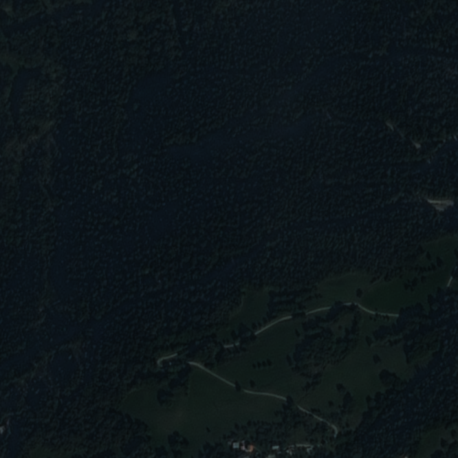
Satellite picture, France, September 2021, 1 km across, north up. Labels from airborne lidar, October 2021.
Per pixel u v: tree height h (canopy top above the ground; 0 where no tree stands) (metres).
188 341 11
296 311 16
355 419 0
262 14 25
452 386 25
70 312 23
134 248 33
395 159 19
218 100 17
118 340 33
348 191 19
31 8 22
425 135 20
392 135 13
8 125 27
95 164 19
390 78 12
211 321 22
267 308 0
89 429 27
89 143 26
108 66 29
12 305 24
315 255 22
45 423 21
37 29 29
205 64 30
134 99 11
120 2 20
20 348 27
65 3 20
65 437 20
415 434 26
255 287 17
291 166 23
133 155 13
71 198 26
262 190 22
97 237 9
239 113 27
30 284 31
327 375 0
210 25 26
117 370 21
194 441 0
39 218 22
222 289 25
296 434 0
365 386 0
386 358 0
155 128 27
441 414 23
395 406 28
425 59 26
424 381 29
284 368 0
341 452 9
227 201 37
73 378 27
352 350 14
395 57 0
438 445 0
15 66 0
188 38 15
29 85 25
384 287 0
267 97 24
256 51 34
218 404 0
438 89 20
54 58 23
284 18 31
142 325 23
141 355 16
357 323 12
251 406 0
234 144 9
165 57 24
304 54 27
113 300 27
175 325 24
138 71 15
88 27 30
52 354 13
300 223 12
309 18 28
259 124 30
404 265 8
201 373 0
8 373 26
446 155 17
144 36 10
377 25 31
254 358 0
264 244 21
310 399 0
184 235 32
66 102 27
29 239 15
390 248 23
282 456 10
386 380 18
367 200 24
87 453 17
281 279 18
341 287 0
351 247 20
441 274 0
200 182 25
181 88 29
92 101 28
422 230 22
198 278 17
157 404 0
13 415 11
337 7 21
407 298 0
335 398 0
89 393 24
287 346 0
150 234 29
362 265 17
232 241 28
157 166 25
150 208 34
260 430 10
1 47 22
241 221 24
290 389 0
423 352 21
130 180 16
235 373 0
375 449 24
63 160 10
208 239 27
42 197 23
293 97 24
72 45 22
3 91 27
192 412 0
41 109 13
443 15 24
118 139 17
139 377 9
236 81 31
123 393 22
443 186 25
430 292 0
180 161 27
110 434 20
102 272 33
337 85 20
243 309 0
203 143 13
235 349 0
